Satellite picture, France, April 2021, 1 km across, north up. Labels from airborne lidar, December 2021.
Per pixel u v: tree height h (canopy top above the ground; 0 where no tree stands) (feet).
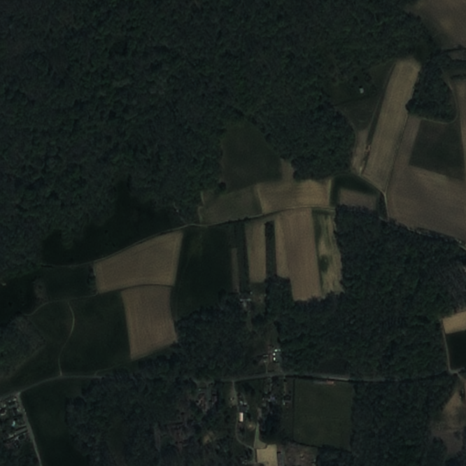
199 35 78
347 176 0
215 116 76
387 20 50
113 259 0
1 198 90
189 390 67
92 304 0
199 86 86
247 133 0
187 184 67
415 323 51
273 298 79
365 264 94
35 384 0
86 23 83
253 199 0
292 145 52
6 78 82
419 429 79
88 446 75
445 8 0
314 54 41
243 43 64
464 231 0
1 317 0
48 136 78
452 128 0
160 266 0
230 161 0
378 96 0
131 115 70
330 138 25
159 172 75
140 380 67
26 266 71
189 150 75
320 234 0
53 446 0
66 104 90
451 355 0
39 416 0
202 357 88
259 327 69
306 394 0
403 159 0
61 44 80
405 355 46
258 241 0
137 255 0
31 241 75
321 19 68
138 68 106
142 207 0
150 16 85
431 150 0
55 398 0
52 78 89
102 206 62
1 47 71
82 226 62
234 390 0
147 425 88
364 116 0
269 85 73
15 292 0
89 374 0
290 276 0
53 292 0
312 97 83
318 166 62
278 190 0
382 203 43
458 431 0
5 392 0
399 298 68
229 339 81
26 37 64
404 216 0
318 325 85
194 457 87
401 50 49
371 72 0
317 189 0
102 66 99
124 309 0
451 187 0
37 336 30
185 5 101
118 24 80
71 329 0
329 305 79
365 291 55
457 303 65
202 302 0
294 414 0
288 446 38
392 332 82
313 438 0
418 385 47
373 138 0
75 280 0
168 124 108
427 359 61
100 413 68
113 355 0
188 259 0
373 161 0
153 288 0
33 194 88
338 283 0
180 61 71
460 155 0
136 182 80
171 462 108
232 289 0
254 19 79
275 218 0
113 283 0
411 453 87
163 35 82
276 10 77
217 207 0
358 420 58
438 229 0
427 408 41
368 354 83
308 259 0
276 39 70
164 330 0
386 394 80
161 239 0
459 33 0
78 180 94
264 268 0
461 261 89
